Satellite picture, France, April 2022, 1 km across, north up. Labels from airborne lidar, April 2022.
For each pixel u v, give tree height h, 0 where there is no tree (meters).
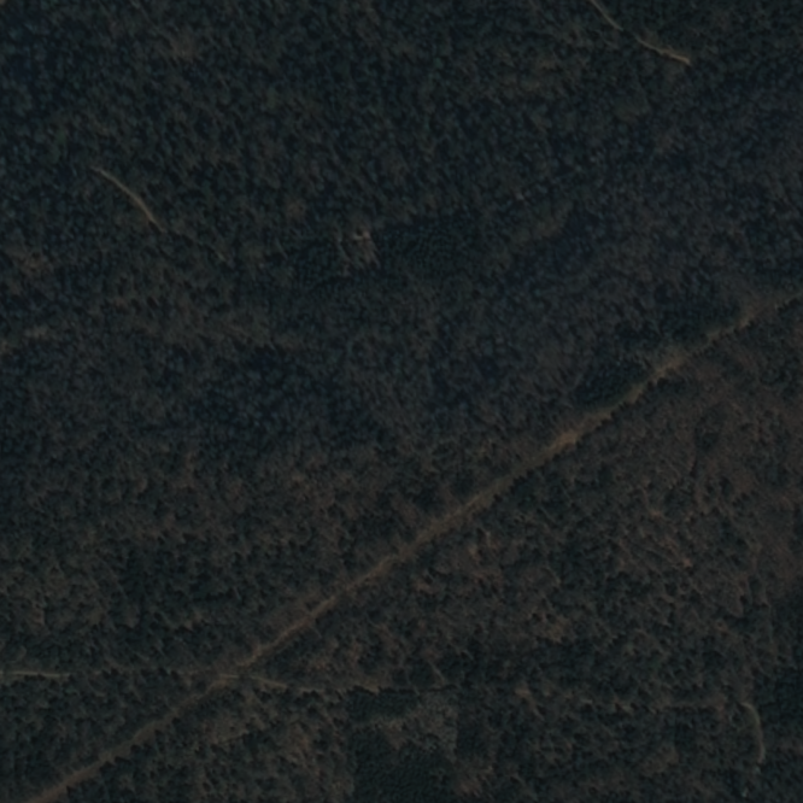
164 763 13
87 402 22
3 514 23
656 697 30
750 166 24
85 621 24
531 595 24
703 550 29
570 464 21
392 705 23
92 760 19
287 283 23
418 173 21
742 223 23
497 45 31
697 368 18
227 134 29
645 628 27
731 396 18
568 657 19
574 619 12
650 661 30
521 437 13
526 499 22
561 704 35
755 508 18
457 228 23
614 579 27
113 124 26
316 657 26
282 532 14
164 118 26
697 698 21
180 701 20
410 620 26
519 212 28
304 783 14
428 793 22
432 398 22
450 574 30
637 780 16
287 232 24
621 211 30
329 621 15
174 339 29
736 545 37
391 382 26
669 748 34
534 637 30
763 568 24
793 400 17
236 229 26
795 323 14
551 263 32
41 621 22
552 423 13
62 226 26
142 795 17
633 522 27
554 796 36
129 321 32
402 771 22
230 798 11
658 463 23
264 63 36
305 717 21
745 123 31
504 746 15
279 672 23
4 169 25
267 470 20
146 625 31
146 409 25
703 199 24
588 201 29
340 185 25
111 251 16
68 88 19
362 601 19
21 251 26
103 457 19
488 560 30
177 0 32
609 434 21
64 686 7
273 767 10
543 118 22
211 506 20
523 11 36
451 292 24
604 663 13
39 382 22
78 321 20
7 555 17
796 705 13
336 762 21
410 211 26
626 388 23
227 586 27
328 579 27
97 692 29
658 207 29
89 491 15
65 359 22
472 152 28
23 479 21
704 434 15
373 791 19
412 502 20
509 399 23
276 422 21
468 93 21
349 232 28
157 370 28
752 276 16
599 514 19
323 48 40
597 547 9
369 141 15
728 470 20
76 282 17
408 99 37
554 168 24
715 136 27
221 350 16
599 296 24
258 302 23
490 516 22
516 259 12
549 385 24
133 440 19
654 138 22
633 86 28
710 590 26
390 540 19
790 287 11
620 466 18
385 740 21
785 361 15
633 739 34
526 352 30
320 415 27
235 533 17
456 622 31
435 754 23
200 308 29
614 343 14
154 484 20
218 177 13
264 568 21
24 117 28
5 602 27
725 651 30
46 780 23
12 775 19
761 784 13
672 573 30
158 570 24
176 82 36
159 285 25
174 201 14
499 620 32
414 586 18
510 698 26
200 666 26
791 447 28
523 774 17
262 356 11
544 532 21
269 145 9
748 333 11
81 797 22
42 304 19
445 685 19
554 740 25
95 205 8
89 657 23
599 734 31
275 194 22
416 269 27
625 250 30
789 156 27
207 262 23
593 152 19
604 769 26
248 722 10
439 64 33
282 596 25
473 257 24
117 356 25
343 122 27
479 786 19
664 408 21
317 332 27
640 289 15
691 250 22
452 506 20
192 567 32
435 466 7
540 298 27
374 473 8
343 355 31
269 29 31
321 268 27
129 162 37
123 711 32
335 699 28
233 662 20
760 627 34
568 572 22
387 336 29
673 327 19
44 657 19
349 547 9
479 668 14
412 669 19
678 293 10
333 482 19
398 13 30
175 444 18
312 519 20
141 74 30
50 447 16
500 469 18
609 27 9
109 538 24
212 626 25
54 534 23
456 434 17
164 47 34
